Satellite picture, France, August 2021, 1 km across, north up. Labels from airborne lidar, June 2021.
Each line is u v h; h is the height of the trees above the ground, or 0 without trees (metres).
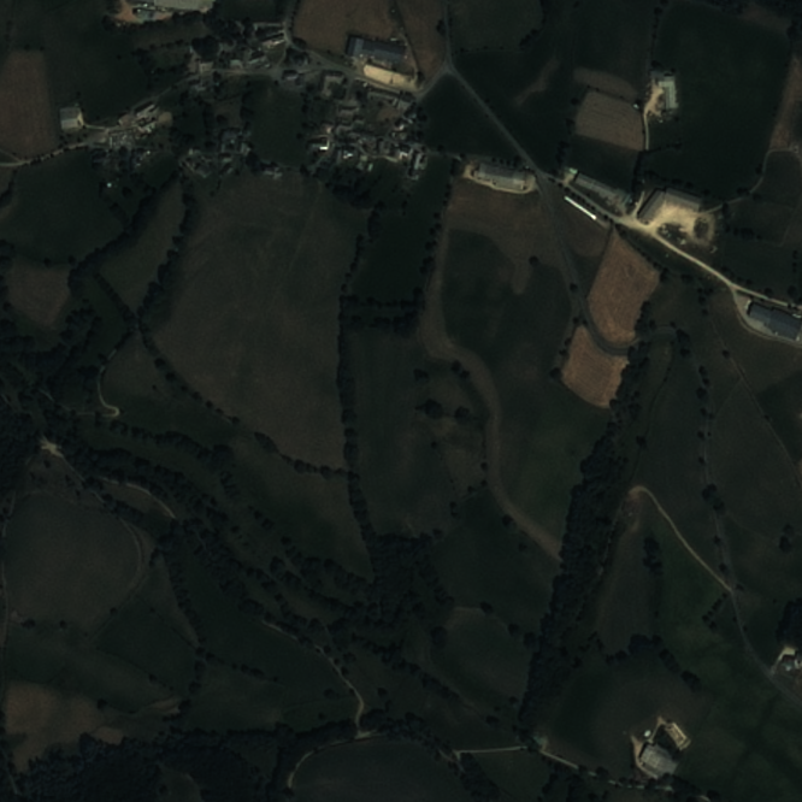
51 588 0
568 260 0
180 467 0
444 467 0
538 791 0
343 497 0
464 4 0
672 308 0
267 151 0
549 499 0
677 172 0
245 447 0
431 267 11
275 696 0
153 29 14
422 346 0
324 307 0
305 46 11
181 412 0
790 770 0
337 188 8
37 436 13
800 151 0
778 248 0
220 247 0
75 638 0
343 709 0
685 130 0
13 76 0
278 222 0
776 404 0
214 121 9
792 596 0
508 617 0
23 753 0
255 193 0
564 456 0
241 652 0
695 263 0
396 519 0
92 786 21
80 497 8
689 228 0
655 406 0
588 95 0
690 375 0
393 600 19
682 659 0
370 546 14
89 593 0
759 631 0
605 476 25
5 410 12
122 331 0
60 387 21
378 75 0
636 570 0
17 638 0
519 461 0
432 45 0
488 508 0
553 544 0
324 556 0
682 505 0
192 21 14
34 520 0
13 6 0
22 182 0
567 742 0
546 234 0
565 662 27
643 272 0
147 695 0
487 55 0
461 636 0
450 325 0
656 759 0
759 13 0
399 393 0
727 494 0
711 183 0
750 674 0
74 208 0
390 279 0
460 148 0
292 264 0
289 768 13
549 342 0
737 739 0
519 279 0
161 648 0
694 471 0
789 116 0
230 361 0
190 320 0
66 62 0
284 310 0
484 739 0
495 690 0
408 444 0
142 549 0
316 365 0
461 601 0
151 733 0
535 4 0
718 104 0
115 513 9
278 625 8
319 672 0
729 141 0
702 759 0
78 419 7
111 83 0
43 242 0
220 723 0
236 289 0
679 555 0
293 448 0
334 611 23
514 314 0
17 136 0
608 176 0
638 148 0
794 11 14
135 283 0
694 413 0
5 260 12
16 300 0
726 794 0
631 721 0
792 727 0
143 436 14
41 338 0
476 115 0
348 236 0
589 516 22
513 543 0
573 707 0
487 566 0
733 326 0
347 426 14
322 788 0
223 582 18
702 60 0
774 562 0
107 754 18
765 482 0
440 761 14
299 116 0
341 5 0
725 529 0
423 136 9
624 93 0
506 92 0
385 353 0
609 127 0
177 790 0
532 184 0
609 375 0
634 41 0
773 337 0
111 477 12
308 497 0
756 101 0
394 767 0
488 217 0
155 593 0
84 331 24
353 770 0
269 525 14
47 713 0
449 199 9
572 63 0
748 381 0
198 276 0
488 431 0
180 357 0
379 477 0
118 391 0
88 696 0
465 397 0
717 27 0
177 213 0
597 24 0
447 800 0
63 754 7
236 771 21
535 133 0
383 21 0
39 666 0
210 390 0
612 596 0
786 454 0
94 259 13
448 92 0
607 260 0
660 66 10
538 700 27
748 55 0
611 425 9
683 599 0
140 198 0
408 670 16
